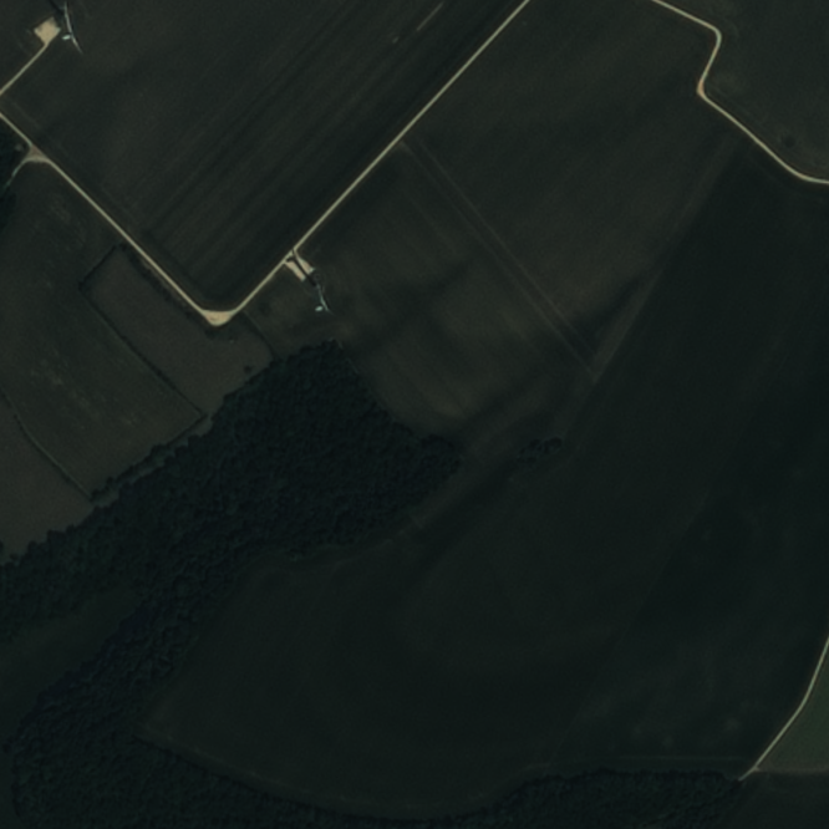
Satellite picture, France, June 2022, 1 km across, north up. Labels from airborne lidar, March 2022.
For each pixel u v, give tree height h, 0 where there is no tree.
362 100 0
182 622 24
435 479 12
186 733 0
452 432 0
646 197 0
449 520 0
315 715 0
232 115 0
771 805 0
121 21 0
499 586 0
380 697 0
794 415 0
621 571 0
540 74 0
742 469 0
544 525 0
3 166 11
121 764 17
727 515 0
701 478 0
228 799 18
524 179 0
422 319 0
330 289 0
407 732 0
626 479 0
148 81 0
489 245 0
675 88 0
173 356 0
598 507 0
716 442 0
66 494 0
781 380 0
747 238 0
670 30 0
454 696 0
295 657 0
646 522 0
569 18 0
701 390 0
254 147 0
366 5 0
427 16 0
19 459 0
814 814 0
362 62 0
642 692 0
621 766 0
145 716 0
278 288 0
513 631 0
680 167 0
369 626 0
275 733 0
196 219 0
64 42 0
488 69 0
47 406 0
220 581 16
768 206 0
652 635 0
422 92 0
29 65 0
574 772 0
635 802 17
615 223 0
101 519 14
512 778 0
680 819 10
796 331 0
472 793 0
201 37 0
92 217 0
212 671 0
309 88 0
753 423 0
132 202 0
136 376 0
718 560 0
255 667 0
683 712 0
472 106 0
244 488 20
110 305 0
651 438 0
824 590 0
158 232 0
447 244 0
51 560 10
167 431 0
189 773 17
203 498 11
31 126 0
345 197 0
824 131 0
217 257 0
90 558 24
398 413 0
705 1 0
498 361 0
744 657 0
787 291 0
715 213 0
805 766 0
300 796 0
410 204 0
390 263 0
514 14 0
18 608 21
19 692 0
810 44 0
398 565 0
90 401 0
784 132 0
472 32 0
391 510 15
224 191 0
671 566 0
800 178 0
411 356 0
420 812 0
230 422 16
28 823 16
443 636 0
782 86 0
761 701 0
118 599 0
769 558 0
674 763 0
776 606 0
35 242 0
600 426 0
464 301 0
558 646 0
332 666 0
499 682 0
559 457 0
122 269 0
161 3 0
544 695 0
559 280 0
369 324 0
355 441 17
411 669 0
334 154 0
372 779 0
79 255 0
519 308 0
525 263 0
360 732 0
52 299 0
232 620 0
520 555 0
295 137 0
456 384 0
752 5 0
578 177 0
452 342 0
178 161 0
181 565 16
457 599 0
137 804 20
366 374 0
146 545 17
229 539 19
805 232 0
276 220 0
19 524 0
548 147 0
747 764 0
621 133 0
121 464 0
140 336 0
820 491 0
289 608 0
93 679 20
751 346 0
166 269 0
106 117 0
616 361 0
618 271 0
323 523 20
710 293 0
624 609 0
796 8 0
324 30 0
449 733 0
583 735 0
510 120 0
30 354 0
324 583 0
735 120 0
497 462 0
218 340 0
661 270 0
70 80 0
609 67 0
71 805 22
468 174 0
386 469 20
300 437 14
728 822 0
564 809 20
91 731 19
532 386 0
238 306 0
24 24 0
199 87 0
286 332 0
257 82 0
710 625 0
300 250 0
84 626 0
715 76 0
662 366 0
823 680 0
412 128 0
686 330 0
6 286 0
